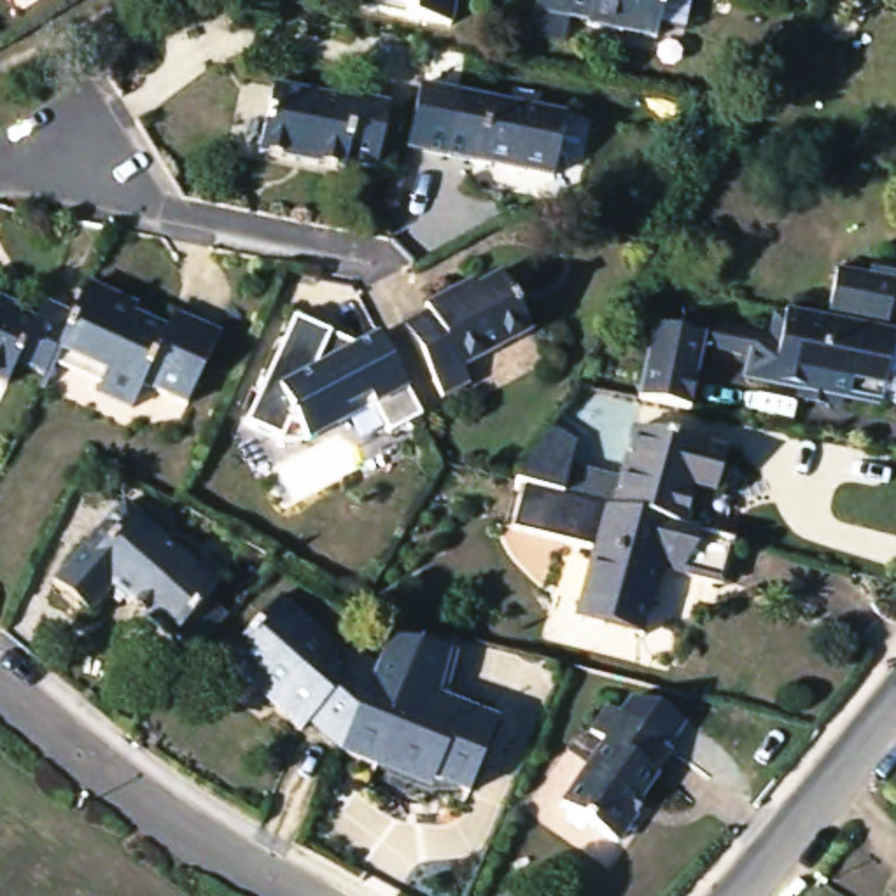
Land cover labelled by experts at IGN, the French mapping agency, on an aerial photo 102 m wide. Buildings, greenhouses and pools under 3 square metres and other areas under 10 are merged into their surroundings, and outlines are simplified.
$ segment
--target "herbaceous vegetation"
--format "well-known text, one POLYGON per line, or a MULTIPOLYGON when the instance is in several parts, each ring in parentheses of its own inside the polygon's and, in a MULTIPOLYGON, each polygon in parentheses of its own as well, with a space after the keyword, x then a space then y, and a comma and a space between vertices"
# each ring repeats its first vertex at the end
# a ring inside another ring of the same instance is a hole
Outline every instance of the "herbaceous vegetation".
POLYGON ((774 788, 802 763, 802 756, 823 735, 823 728, 844 711, 844 704, 861 690, 872 669, 865 662, 854 662, 826 665, 819 672, 812 655, 805 651, 805 637, 819 630, 823 620, 795 616, 791 623, 777 623, 767 620, 767 606, 753 606, 746 595, 725 595, 718 602, 707 602, 714 609, 714 620, 683 637, 683 644, 697 655, 679 658, 669 679, 718 683, 774 700, 777 690, 795 679, 798 690, 805 690, 809 697, 795 707, 795 718, 749 711, 714 697, 707 700, 711 711, 700 735, 714 739, 735 760, 742 777, 749 781, 749 795, 760 805, 767 805, 774 798, 774 788))
POLYGON ((67 620, 60 630, 67 662, 56 669, 56 676, 63 679, 77 665, 84 665, 84 676, 102 676, 98 655, 109 648, 116 620, 116 592, 98 599, 95 606, 84 602, 81 613, 67 620))
POLYGON ((644 679, 588 669, 571 711, 564 753, 581 756, 585 763, 606 746, 606 732, 595 725, 595 718, 602 707, 616 704, 616 690, 651 690, 644 679))
POLYGON ((480 399, 480 410, 476 420, 455 424, 452 441, 459 445, 459 452, 501 452, 515 445, 532 455, 543 445, 543 438, 557 427, 564 410, 571 396, 567 382, 546 385, 532 371, 508 385, 490 382, 473 392, 480 399))
POLYGON ((830 284, 837 284, 844 263, 858 256, 896 256, 896 228, 889 224, 889 221, 886 221, 886 210, 882 210, 882 182, 886 182, 886 175, 882 175, 882 165, 879 165, 879 161, 893 161, 893 165, 896 165, 896 0, 882 0, 882 11, 875 18, 858 18, 847 28, 837 28, 837 21, 830 18, 784 21, 781 28, 767 32, 756 11, 742 11, 732 0, 714 0, 714 14, 707 25, 693 18, 686 25, 672 21, 669 35, 662 35, 655 25, 644 35, 595 28, 592 39, 620 42, 623 74, 676 84, 686 91, 704 91, 707 84, 700 77, 704 53, 711 53, 725 39, 756 42, 767 35, 770 49, 784 63, 781 77, 767 84, 767 102, 781 109, 777 123, 798 123, 798 130, 812 133, 823 158, 823 182, 833 193, 823 196, 816 210, 770 217, 742 196, 742 161, 728 154, 714 172, 697 207, 697 228, 690 231, 693 245, 714 238, 728 249, 728 259, 718 270, 718 277, 735 280, 749 273, 760 291, 791 301, 805 291, 826 291, 830 284))
POLYGON ((410 805, 441 802, 455 816, 466 816, 476 805, 480 788, 427 788, 413 781, 396 784, 410 805))
POLYGON ((119 469, 119 480, 130 487, 144 487, 144 497, 186 511, 207 504, 217 515, 235 518, 252 532, 266 536, 287 557, 298 557, 333 578, 343 578, 343 571, 350 567, 378 578, 382 553, 392 539, 403 536, 403 522, 410 515, 413 497, 427 494, 441 466, 434 445, 403 452, 399 445, 385 452, 385 473, 350 473, 329 483, 312 501, 301 501, 294 515, 277 522, 270 508, 273 487, 280 483, 277 476, 256 476, 252 469, 245 466, 245 459, 242 459, 242 448, 238 448, 238 441, 235 441, 235 438, 238 438, 238 427, 221 417, 217 438, 207 448, 193 438, 179 445, 161 445, 154 441, 154 434, 137 434, 130 424, 105 417, 88 403, 74 403, 67 392, 46 406, 46 424, 25 445, 21 462, 0 462, 0 581, 7 585, 11 574, 18 574, 28 564, 39 543, 42 518, 53 515, 53 497, 60 494, 63 469, 84 448, 91 448, 102 462, 112 462, 119 469))
POLYGON ((417 182, 420 158, 413 154, 410 161, 399 161, 378 151, 375 161, 361 168, 361 203, 368 207, 378 235, 392 235, 396 228, 410 224, 410 193, 417 182))
POLYGON ((25 413, 32 410, 35 392, 42 385, 35 371, 18 382, 0 378, 0 441, 7 438, 7 431, 21 431, 25 413))
POLYGON ((172 266, 168 249, 158 238, 137 235, 119 252, 123 273, 140 280, 161 280, 165 291, 179 294, 182 270, 172 266))
POLYGON ((91 263, 102 231, 84 228, 74 238, 74 266, 39 270, 28 263, 0 263, 0 291, 14 294, 18 305, 39 305, 42 294, 49 294, 70 305, 74 287, 77 266, 91 263))
POLYGON ((655 329, 665 319, 746 336, 763 347, 777 347, 770 326, 749 326, 732 305, 700 305, 693 294, 676 284, 662 284, 651 294, 630 298, 630 312, 637 315, 637 343, 644 350, 651 347, 655 329))
POLYGON ((648 830, 630 833, 634 840, 627 851, 616 851, 609 844, 581 847, 581 896, 690 896, 690 889, 711 872, 711 865, 732 847, 732 840, 746 833, 746 823, 704 816, 690 826, 658 826, 655 819, 648 823, 648 830))
POLYGON ((256 84, 256 77, 245 70, 245 60, 238 56, 207 60, 200 77, 193 77, 168 102, 144 116, 154 147, 175 168, 186 161, 189 147, 203 147, 210 137, 235 137, 238 116, 242 88, 256 84))
POLYGON ((231 879, 179 861, 161 840, 144 837, 144 830, 137 830, 91 823, 88 798, 95 795, 81 784, 81 791, 42 791, 32 770, 18 767, 7 753, 0 753, 0 896, 235 896, 228 889, 231 879))
POLYGON ((249 151, 249 144, 242 140, 235 144, 238 200, 256 210, 284 210, 280 189, 294 182, 298 172, 270 161, 266 154, 249 151))
POLYGON ((529 833, 522 854, 515 858, 518 872, 557 858, 567 844, 560 833, 539 823, 529 833))
POLYGON ((231 651, 242 683, 238 714, 228 714, 217 725, 186 725, 179 714, 158 711, 154 718, 140 718, 126 732, 140 742, 140 749, 179 767, 189 756, 200 770, 217 770, 221 777, 228 777, 228 784, 284 798, 284 777, 291 774, 291 767, 305 760, 308 742, 298 728, 287 718, 280 718, 270 704, 270 672, 249 637, 249 616, 266 616, 266 609, 280 595, 294 588, 280 574, 259 567, 256 585, 238 592, 238 602, 228 609, 217 609, 207 599, 200 599, 200 606, 186 620, 175 620, 165 609, 147 616, 154 634, 165 637, 168 651, 186 651, 196 637, 224 644, 231 651))
POLYGON ((389 599, 378 606, 378 620, 389 627, 399 634, 431 634, 448 644, 476 644, 487 655, 490 648, 490 630, 529 641, 543 637, 546 613, 532 599, 536 585, 504 553, 508 525, 522 525, 525 494, 511 483, 497 483, 483 469, 459 473, 448 483, 445 508, 466 501, 469 494, 490 497, 494 508, 483 508, 466 525, 462 546, 438 553, 438 571, 420 574, 413 588, 389 592, 389 599), (459 574, 473 574, 480 581, 480 599, 466 627, 452 627, 441 620, 441 599, 459 574))
POLYGON ((0 0, 0 56, 46 32, 53 21, 74 25, 74 35, 95 32, 98 18, 119 11, 119 0, 0 0))
POLYGON ((648 126, 658 119, 648 112, 648 102, 641 95, 613 95, 620 105, 634 112, 627 123, 616 126, 613 140, 581 165, 581 182, 595 203, 595 224, 585 238, 585 249, 574 259, 525 259, 515 249, 490 252, 494 266, 508 266, 511 280, 522 284, 525 308, 515 315, 515 326, 522 326, 529 336, 532 340, 543 326, 564 322, 574 312, 585 319, 595 305, 627 298, 627 280, 637 273, 637 263, 644 259, 644 249, 634 245, 634 238, 665 196, 665 179, 644 161, 648 126))
POLYGON ((469 14, 459 21, 452 18, 452 25, 441 32, 448 39, 448 53, 462 53, 462 63, 469 56, 483 56, 490 63, 501 63, 511 49, 483 35, 487 7, 497 18, 518 25, 522 56, 581 67, 574 53, 560 53, 550 42, 546 11, 539 7, 539 0, 469 0, 469 14))

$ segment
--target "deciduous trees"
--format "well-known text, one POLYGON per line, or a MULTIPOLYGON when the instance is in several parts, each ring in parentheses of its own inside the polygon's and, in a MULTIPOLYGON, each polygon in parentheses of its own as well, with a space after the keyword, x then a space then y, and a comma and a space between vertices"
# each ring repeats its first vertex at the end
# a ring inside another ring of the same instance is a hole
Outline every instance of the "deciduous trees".
POLYGON ((298 172, 294 182, 280 189, 284 210, 308 210, 315 221, 343 228, 347 238, 364 242, 378 235, 368 207, 361 203, 361 168, 340 161, 336 172, 298 172))
POLYGON ((63 679, 126 732, 140 718, 154 718, 158 711, 179 714, 186 725, 217 725, 228 714, 238 714, 242 683, 231 651, 224 644, 196 637, 186 651, 168 651, 165 637, 154 634, 147 616, 116 620, 109 648, 98 655, 102 676, 84 676, 84 665, 77 665, 63 679))
POLYGON ((784 21, 788 0, 732 0, 742 11, 756 11, 767 32, 781 28, 784 21))
POLYGON ((326 84, 336 91, 371 95, 378 91, 378 77, 368 53, 326 60, 322 74, 326 84))
POLYGON ((158 39, 165 46, 179 32, 203 35, 207 21, 228 18, 235 32, 252 32, 252 46, 238 56, 245 60, 245 70, 256 77, 256 84, 273 88, 277 81, 294 74, 305 53, 305 39, 294 32, 294 18, 301 7, 301 0, 119 0, 119 11, 133 39, 158 39))
POLYGON ((634 245, 644 249, 644 259, 637 263, 637 273, 627 280, 627 298, 630 298, 651 294, 662 284, 676 284, 693 294, 718 277, 718 270, 728 259, 728 249, 714 238, 693 245, 690 231, 697 228, 697 207, 714 172, 728 154, 742 161, 742 196, 770 217, 816 210, 823 196, 833 193, 823 182, 823 158, 812 133, 798 130, 798 123, 777 123, 781 109, 767 102, 767 84, 781 77, 784 63, 770 49, 767 35, 756 42, 725 39, 711 53, 704 53, 700 77, 707 84, 711 112, 697 109, 658 119, 648 126, 644 161, 665 179, 665 196, 634 238, 634 245))
POLYGON ((886 210, 886 221, 889 221, 889 224, 896 228, 896 165, 893 165, 893 161, 879 161, 879 165, 882 165, 882 175, 886 175, 886 182, 882 182, 882 210, 886 210))

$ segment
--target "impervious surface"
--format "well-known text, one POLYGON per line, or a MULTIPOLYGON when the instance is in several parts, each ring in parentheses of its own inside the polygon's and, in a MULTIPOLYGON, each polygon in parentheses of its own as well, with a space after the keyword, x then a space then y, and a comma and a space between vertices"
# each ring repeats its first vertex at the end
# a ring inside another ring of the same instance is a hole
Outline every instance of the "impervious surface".
POLYGON ((273 88, 256 84, 242 88, 238 116, 277 116, 273 88))
POLYGON ((760 805, 749 795, 749 781, 742 777, 735 760, 714 739, 700 735, 693 746, 686 784, 672 795, 672 802, 662 812, 655 812, 655 819, 658 826, 690 826, 704 816, 746 823, 746 833, 732 840, 732 847, 711 865, 711 872, 690 889, 690 896, 896 896, 896 627, 889 630, 886 651, 872 669, 861 690, 844 704, 844 711, 823 728, 823 735, 802 756, 802 763, 774 788, 774 798, 767 805, 760 805))
POLYGON ((553 690, 553 672, 536 658, 490 648, 487 655, 487 683, 539 700, 553 690))
POLYGON ((711 490, 714 511, 728 515, 777 508, 777 515, 798 539, 861 560, 896 560, 896 536, 847 525, 833 515, 833 494, 840 483, 889 483, 893 462, 886 452, 798 441, 784 431, 774 431, 774 438, 767 438, 742 424, 742 413, 749 410, 746 403, 711 403, 711 389, 697 382, 697 392, 690 396, 693 406, 683 413, 683 424, 669 445, 669 459, 686 462, 693 480, 711 490))
POLYGON ((368 851, 368 865, 361 875, 305 847, 301 823, 308 816, 308 798, 315 784, 315 760, 326 742, 319 728, 308 721, 298 728, 308 742, 305 760, 291 767, 291 774, 284 777, 284 798, 277 819, 256 819, 245 809, 217 798, 210 788, 196 784, 193 777, 186 777, 179 767, 140 749, 140 742, 126 732, 63 679, 56 676, 39 672, 39 665, 28 655, 28 641, 35 637, 42 620, 67 620, 81 613, 84 602, 81 592, 63 578, 70 553, 98 522, 112 518, 116 511, 123 515, 130 504, 144 497, 144 487, 130 487, 116 501, 77 508, 25 620, 7 630, 0 627, 0 714, 14 728, 21 728, 49 760, 70 770, 81 784, 95 795, 119 805, 137 823, 137 830, 144 830, 144 837, 161 840, 179 861, 231 879, 228 889, 235 896, 399 896, 403 882, 420 865, 459 861, 487 847, 504 809, 504 798, 511 791, 508 774, 480 788, 476 805, 466 816, 455 816, 441 802, 410 805, 389 816, 368 791, 343 795, 333 826, 354 847, 368 851))
POLYGON ((329 18, 315 14, 312 7, 301 7, 294 18, 294 32, 305 39, 305 53, 294 74, 298 81, 315 81, 322 74, 326 60, 368 53, 375 46, 371 35, 333 42, 329 18))
POLYGON ((179 420, 186 413, 186 399, 179 392, 154 392, 154 399, 147 403, 123 403, 102 389, 105 364, 88 354, 63 357, 63 382, 67 392, 74 403, 88 403, 105 417, 130 424, 137 417, 179 420))
POLYGON ((616 851, 627 851, 634 840, 630 833, 616 833, 595 805, 571 802, 571 788, 581 777, 585 763, 581 756, 564 753, 553 760, 543 788, 536 791, 539 823, 560 833, 567 844, 581 847, 609 844, 616 851))
POLYGON ((648 669, 655 655, 672 648, 672 630, 665 630, 641 630, 623 620, 609 623, 581 616, 578 599, 588 574, 585 539, 522 525, 508 525, 504 553, 536 585, 532 599, 546 613, 543 637, 553 644, 623 658, 648 669))
POLYGON ((529 336, 494 354, 490 382, 508 385, 532 371, 539 354, 532 340, 529 336))
POLYGON ((725 560, 735 536, 725 532, 718 532, 711 546, 697 539, 686 553, 686 564, 676 567, 676 574, 690 581, 683 616, 693 620, 693 609, 707 602, 718 602, 725 595, 746 595, 749 585, 746 574, 725 581, 725 560))
POLYGON ((462 193, 466 175, 490 175, 494 182, 525 196, 560 193, 581 182, 581 165, 571 165, 564 172, 543 172, 438 147, 424 151, 420 158, 417 182, 410 193, 410 224, 396 228, 392 235, 378 235, 364 242, 347 238, 343 228, 315 221, 308 210, 284 210, 256 210, 238 200, 207 200, 200 193, 186 193, 179 186, 175 168, 154 147, 144 116, 168 102, 193 77, 200 77, 207 60, 238 56, 252 46, 252 32, 235 32, 228 18, 207 21, 203 35, 179 32, 165 46, 161 67, 154 74, 137 74, 137 91, 126 91, 116 77, 109 77, 102 91, 53 88, 53 98, 32 102, 25 116, 14 105, 0 102, 0 210, 14 207, 14 200, 32 200, 35 210, 56 214, 63 203, 70 207, 70 217, 84 228, 102 231, 112 228, 116 217, 137 217, 137 235, 158 238, 168 249, 172 266, 182 270, 179 294, 224 308, 231 298, 231 284, 217 270, 214 256, 256 249, 266 256, 336 259, 336 273, 329 280, 298 284, 291 312, 326 319, 336 329, 354 333, 354 343, 371 343, 375 333, 382 333, 385 326, 399 326, 417 312, 427 312, 452 273, 476 277, 494 266, 490 252, 515 249, 522 231, 504 228, 501 235, 466 245, 466 252, 445 259, 434 270, 413 270, 413 259, 424 256, 424 249, 438 249, 497 214, 494 203, 462 193))
POLYGON ((294 154, 280 144, 266 154, 270 161, 298 172, 336 172, 340 161, 333 154, 294 154))
POLYGON ((623 462, 630 452, 634 427, 644 424, 627 396, 599 392, 585 403, 581 413, 588 427, 599 431, 606 459, 623 462))
POLYGON ((403 413, 389 417, 382 396, 371 392, 361 413, 329 427, 319 448, 284 462, 284 473, 277 476, 280 483, 273 487, 270 508, 277 522, 294 515, 301 501, 312 501, 329 483, 350 473, 385 473, 385 452, 399 445, 410 438, 413 424, 403 413))
POLYGON ((410 88, 424 88, 427 81, 438 81, 448 70, 462 70, 462 63, 462 53, 448 53, 441 53, 434 63, 420 70, 410 77, 410 88))
POLYGON ((266 441, 259 441, 259 438, 249 438, 245 431, 242 431, 242 427, 238 427, 238 438, 235 438, 235 441, 238 441, 238 448, 242 448, 242 459, 245 459, 245 466, 252 469, 256 469, 256 462, 266 462, 270 455, 273 455, 273 452, 266 448, 266 441))

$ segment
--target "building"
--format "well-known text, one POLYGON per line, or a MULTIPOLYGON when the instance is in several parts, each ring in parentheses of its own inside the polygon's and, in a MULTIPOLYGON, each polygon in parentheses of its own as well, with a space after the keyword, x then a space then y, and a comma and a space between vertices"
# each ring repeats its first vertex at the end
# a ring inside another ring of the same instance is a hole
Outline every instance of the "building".
POLYGON ((361 168, 375 161, 378 151, 399 161, 410 161, 413 154, 420 158, 424 151, 438 147, 543 172, 564 172, 571 165, 581 165, 613 140, 616 126, 627 123, 634 112, 620 105, 613 95, 599 88, 571 88, 518 77, 480 81, 462 70, 448 70, 438 81, 427 81, 424 88, 410 88, 410 77, 420 70, 417 63, 410 63, 406 42, 375 46, 368 53, 378 77, 378 91, 371 95, 336 91, 326 84, 322 74, 315 81, 298 81, 294 74, 277 81, 273 88, 277 116, 238 116, 235 137, 242 140, 249 144, 249 151, 266 154, 280 144, 294 154, 333 154, 340 161, 361 168))
POLYGON ((616 833, 630 833, 648 830, 648 823, 655 819, 655 812, 662 812, 672 802, 672 795, 686 784, 693 746, 700 735, 711 711, 707 700, 714 697, 718 683, 669 679, 651 690, 616 690, 616 704, 602 707, 595 718, 595 725, 606 732, 606 746, 585 763, 581 777, 571 788, 571 802, 595 805, 616 833))
POLYGON ((259 567, 256 557, 235 557, 217 536, 193 525, 186 511, 144 497, 130 504, 123 515, 116 511, 112 518, 98 522, 70 553, 63 578, 81 592, 84 602, 95 606, 98 599, 116 592, 116 620, 147 616, 165 609, 175 620, 186 620, 200 606, 200 599, 207 599, 217 609, 228 609, 238 602, 238 592, 256 585, 259 567))
POLYGON ((711 403, 746 403, 746 392, 774 392, 795 399, 795 406, 812 403, 816 417, 844 420, 847 399, 896 399, 896 256, 858 256, 844 263, 837 284, 830 284, 826 291, 805 291, 791 301, 791 319, 777 312, 770 326, 777 347, 763 347, 746 336, 665 319, 655 329, 651 347, 644 350, 644 368, 634 382, 637 396, 627 396, 644 424, 634 427, 630 452, 623 462, 606 459, 599 431, 588 427, 581 413, 574 417, 564 410, 557 427, 543 438, 543 445, 532 455, 529 469, 515 473, 511 483, 525 494, 522 525, 585 539, 588 574, 578 599, 581 616, 609 623, 623 620, 641 630, 665 630, 672 620, 683 616, 690 581, 676 574, 676 567, 686 564, 686 553, 697 539, 711 546, 718 532, 725 532, 728 515, 714 511, 711 490, 693 480, 686 462, 669 459, 669 445, 683 424, 683 413, 693 406, 690 396, 697 392, 697 382, 711 389, 711 403))
POLYGON ((550 42, 574 39, 581 35, 581 28, 595 28, 644 35, 655 25, 662 35, 669 35, 672 21, 686 25, 693 18, 707 25, 714 14, 714 0, 539 0, 539 7, 546 11, 550 42))
POLYGON ((161 280, 140 280, 123 273, 105 277, 98 270, 88 287, 74 287, 70 305, 49 294, 42 294, 39 305, 18 305, 14 294, 0 291, 0 378, 18 382, 35 371, 42 385, 63 382, 63 357, 88 354, 105 364, 102 389, 123 403, 147 403, 154 399, 154 392, 179 392, 186 399, 203 399, 217 392, 238 361, 252 361, 259 375, 238 427, 242 427, 242 431, 245 431, 249 438, 259 438, 259 441, 266 441, 266 448, 273 452, 273 455, 270 455, 266 462, 256 462, 256 469, 252 469, 256 476, 277 476, 284 473, 284 462, 319 448, 329 427, 361 413, 371 392, 382 396, 389 417, 403 413, 413 424, 420 410, 438 410, 445 403, 441 396, 473 392, 490 382, 494 354, 529 336, 522 326, 515 326, 515 315, 525 308, 522 284, 511 280, 508 266, 494 266, 476 277, 452 273, 427 312, 417 312, 399 326, 385 326, 382 333, 375 333, 371 343, 354 343, 354 333, 336 329, 326 319, 291 312, 280 322, 273 347, 263 350, 249 333, 249 319, 235 319, 224 308, 179 294, 165 291, 161 280))
POLYGON ((378 641, 371 651, 361 651, 340 634, 336 609, 294 588, 280 595, 266 609, 266 616, 249 616, 249 637, 270 672, 270 704, 280 718, 287 718, 298 728, 308 721, 319 728, 326 742, 343 749, 350 760, 385 770, 385 777, 396 784, 413 781, 427 788, 480 788, 508 774, 525 760, 525 753, 536 742, 543 707, 539 700, 487 683, 487 655, 476 644, 448 644, 431 634, 399 634, 389 627, 385 641, 378 641))
POLYGON ((469 14, 469 0, 378 0, 385 18, 441 32, 452 25, 452 18, 459 21, 469 14))

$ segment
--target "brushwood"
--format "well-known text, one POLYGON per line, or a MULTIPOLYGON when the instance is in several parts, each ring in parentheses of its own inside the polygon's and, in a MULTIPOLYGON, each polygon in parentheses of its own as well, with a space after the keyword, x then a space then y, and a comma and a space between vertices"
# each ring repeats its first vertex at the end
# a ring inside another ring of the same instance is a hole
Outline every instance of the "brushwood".
POLYGON ((791 319, 791 301, 760 291, 749 273, 735 280, 718 277, 693 294, 700 305, 732 305, 749 326, 770 326, 777 312, 791 319))
POLYGON ((95 795, 88 798, 91 823, 137 830, 137 823, 119 805, 95 795))
POLYGON ((795 616, 823 620, 819 630, 805 637, 805 651, 812 655, 819 672, 826 665, 854 662, 854 637, 844 627, 847 613, 826 602, 826 592, 798 602, 788 592, 788 581, 749 585, 746 595, 753 606, 767 606, 767 620, 777 623, 791 623, 795 616))
POLYGON ((88 287, 98 270, 105 277, 123 273, 119 252, 137 235, 137 217, 116 217, 112 228, 102 231, 91 263, 77 266, 74 287, 88 287))
POLYGON ((154 434, 154 441, 161 445, 179 445, 193 438, 207 448, 217 438, 221 417, 238 427, 259 375, 252 361, 238 361, 217 392, 203 399, 186 399, 186 413, 179 420, 137 417, 130 424, 137 434, 154 434))
POLYGON ((67 662, 60 630, 67 620, 42 620, 35 637, 28 641, 28 655, 39 665, 39 672, 56 676, 56 669, 67 662))
POLYGON ((25 116, 32 102, 53 98, 53 88, 102 91, 109 77, 116 77, 126 91, 137 91, 137 74, 154 74, 161 67, 165 46, 158 39, 133 39, 119 11, 98 18, 95 32, 74 35, 70 46, 49 49, 0 77, 0 102, 14 105, 25 116))
POLYGON ((564 322, 543 326, 532 340, 539 354, 532 371, 546 385, 567 382, 571 396, 564 410, 574 417, 581 413, 585 403, 599 392, 627 396, 637 396, 634 382, 644 368, 644 350, 637 343, 637 315, 630 312, 630 298, 627 298, 595 305, 585 319, 574 312, 564 322))
POLYGON ((371 651, 378 641, 385 641, 389 627, 378 620, 378 606, 389 599, 389 592, 413 588, 420 574, 438 571, 438 553, 462 546, 466 525, 483 508, 494 508, 490 497, 469 494, 466 501, 445 508, 448 483, 459 473, 483 469, 497 483, 511 483, 515 473, 529 469, 532 455, 515 445, 501 452, 459 452, 459 445, 452 441, 455 424, 476 420, 480 410, 480 399, 473 392, 441 396, 445 403, 438 410, 420 410, 413 424, 410 438, 399 445, 403 452, 434 445, 441 466, 427 494, 413 497, 410 515, 403 522, 403 536, 392 539, 382 553, 378 578, 350 567, 343 571, 343 578, 333 578, 298 557, 287 557, 266 536, 252 532, 235 518, 217 515, 207 504, 186 511, 193 525, 217 536, 235 557, 256 557, 259 567, 280 574, 294 588, 336 609, 340 634, 361 651, 371 651))
POLYGON ((42 518, 39 543, 28 564, 18 574, 11 574, 7 585, 0 581, 0 627, 7 630, 25 620, 77 508, 116 501, 130 487, 119 480, 119 469, 112 462, 102 462, 91 448, 84 448, 63 469, 60 494, 53 497, 53 515, 42 518))
POLYGON ((81 784, 70 770, 49 760, 21 728, 14 728, 0 714, 0 753, 7 753, 18 767, 32 770, 42 791, 81 791, 81 784))
POLYGON ((291 312, 298 284, 329 280, 336 273, 336 259, 266 256, 256 249, 214 256, 217 270, 231 284, 231 298, 224 308, 235 319, 249 319, 249 333, 263 350, 273 347, 280 322, 291 312))
POLYGON ((893 462, 889 483, 840 483, 833 494, 833 515, 847 525, 896 536, 896 399, 847 399, 844 420, 816 417, 812 403, 795 406, 791 417, 749 410, 742 413, 742 424, 767 438, 774 438, 774 431, 784 431, 798 441, 886 452, 893 462))
POLYGON ((235 137, 210 137, 203 147, 189 147, 186 161, 175 168, 179 186, 186 193, 200 193, 207 200, 238 200, 235 144, 242 140, 235 137))
POLYGON ((574 39, 550 42, 560 53, 574 53, 581 67, 522 56, 518 25, 497 18, 487 7, 483 35, 511 49, 501 63, 490 63, 483 56, 469 56, 462 63, 462 70, 480 81, 518 77, 571 88, 599 88, 613 95, 641 95, 648 102, 648 112, 658 119, 697 109, 711 112, 707 84, 704 91, 686 91, 676 84, 623 74, 620 42, 592 39, 595 28, 581 28, 581 35, 574 39))
POLYGON ((557 858, 518 872, 515 858, 522 854, 529 833, 539 823, 536 791, 543 788, 553 760, 564 753, 571 711, 588 669, 644 679, 651 690, 669 679, 679 658, 697 655, 683 644, 683 637, 714 620, 714 609, 707 602, 693 609, 693 620, 683 616, 672 620, 665 630, 672 630, 672 648, 655 655, 648 669, 623 658, 553 644, 543 637, 529 641, 490 630, 490 648, 536 658, 553 672, 553 690, 539 700, 543 707, 536 742, 525 753, 525 760, 508 774, 511 791, 504 798, 504 809, 487 847, 459 861, 420 865, 403 882, 399 896, 581 896, 581 847, 567 844, 557 858))
POLYGON ((466 627, 480 599, 480 581, 473 574, 459 574, 441 599, 441 620, 452 627, 466 627))
POLYGON ((434 63, 441 53, 448 53, 448 39, 441 32, 385 18, 378 0, 301 0, 301 7, 312 7, 315 14, 329 18, 333 42, 371 35, 375 46, 406 42, 410 63, 417 63, 420 70, 434 63))
POLYGON ((809 697, 805 690, 798 690, 795 679, 777 690, 774 700, 718 683, 714 697, 749 711, 795 718, 795 707, 809 697))
POLYGON ((882 0, 788 0, 784 21, 830 18, 837 21, 837 28, 847 28, 858 18, 875 18, 882 11, 882 0))
POLYGON ((581 182, 560 193, 525 196, 494 182, 490 175, 466 175, 462 193, 494 203, 497 214, 438 249, 424 249, 424 256, 413 259, 413 270, 434 270, 445 259, 466 252, 466 245, 501 235, 504 228, 522 231, 515 249, 525 259, 574 259, 585 249, 585 238, 595 224, 595 203, 581 182))
POLYGON ((70 207, 63 203, 56 214, 35 210, 32 200, 14 200, 14 207, 0 210, 0 263, 28 263, 39 270, 74 266, 74 238, 84 228, 70 217, 70 207))
POLYGON ((228 784, 228 777, 221 777, 217 770, 200 770, 189 756, 179 767, 186 777, 193 777, 196 784, 210 788, 217 798, 245 809, 256 819, 277 819, 284 798, 228 784))
POLYGON ((361 875, 368 865, 368 851, 354 847, 333 826, 343 795, 368 791, 389 816, 410 805, 396 784, 385 777, 385 770, 350 760, 343 749, 326 742, 315 760, 315 784, 308 798, 308 816, 301 823, 305 847, 361 875))
POLYGON ((21 462, 25 445, 46 424, 46 406, 67 392, 63 382, 42 385, 35 392, 32 410, 25 413, 21 431, 7 431, 7 438, 0 441, 0 462, 21 462))
POLYGON ((725 532, 735 536, 725 560, 725 581, 746 574, 756 567, 760 553, 777 553, 791 560, 791 571, 812 571, 823 578, 861 574, 872 581, 882 609, 896 616, 896 560, 861 560, 798 539, 777 515, 777 508, 728 515, 725 532))

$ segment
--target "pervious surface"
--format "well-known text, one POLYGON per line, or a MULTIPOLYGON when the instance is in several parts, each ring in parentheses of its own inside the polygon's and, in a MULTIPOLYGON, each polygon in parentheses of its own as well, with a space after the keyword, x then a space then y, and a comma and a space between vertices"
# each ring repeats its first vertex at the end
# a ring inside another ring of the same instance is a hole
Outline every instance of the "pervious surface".
POLYGON ((74 35, 74 25, 53 21, 46 32, 0 56, 0 77, 49 49, 70 46, 74 35))
POLYGON ((896 627, 896 616, 882 609, 872 581, 861 574, 823 578, 812 571, 791 571, 791 560, 777 553, 760 553, 756 567, 746 574, 749 585, 788 581, 788 592, 798 602, 826 592, 826 602, 847 613, 844 627, 854 637, 854 662, 865 662, 872 669, 886 651, 889 630, 896 627))
POLYGON ((795 399, 774 392, 746 392, 746 403, 749 410, 791 417, 795 406, 795 399))

